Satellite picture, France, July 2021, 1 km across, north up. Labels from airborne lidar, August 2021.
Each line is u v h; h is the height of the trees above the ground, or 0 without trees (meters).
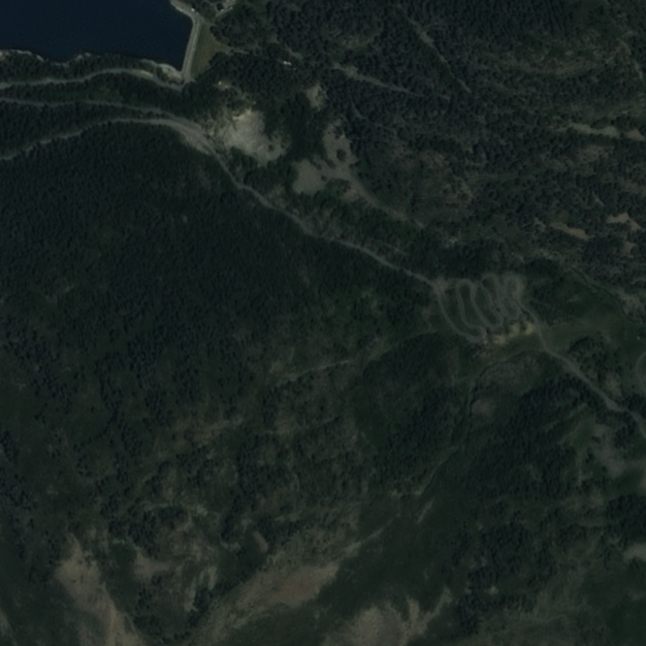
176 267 7
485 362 0
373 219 11
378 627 0
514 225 9
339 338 0
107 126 11
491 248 7
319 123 6
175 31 0
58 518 0
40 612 0
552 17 12
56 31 0
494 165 12
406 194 10
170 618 0
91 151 11
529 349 0
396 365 7
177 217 5
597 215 7
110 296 8
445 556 0
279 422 0
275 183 9
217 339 7
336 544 0
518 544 14
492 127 14
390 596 0
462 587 0
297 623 0
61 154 14
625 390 7
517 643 0
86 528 0
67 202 10
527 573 0
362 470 7
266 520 7
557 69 7
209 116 9
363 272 9
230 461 0
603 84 9
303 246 8
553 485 16
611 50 7
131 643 0
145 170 9
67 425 0
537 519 0
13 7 0
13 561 0
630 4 8
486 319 0
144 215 8
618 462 0
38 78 8
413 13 22
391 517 0
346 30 12
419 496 0
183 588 0
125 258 8
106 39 0
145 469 0
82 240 9
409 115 8
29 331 9
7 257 10
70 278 9
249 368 9
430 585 0
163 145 6
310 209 7
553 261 14
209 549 0
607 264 11
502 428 6
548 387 14
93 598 0
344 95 13
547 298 7
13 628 0
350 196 0
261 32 18
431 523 0
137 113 12
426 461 8
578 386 19
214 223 10
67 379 0
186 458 8
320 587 0
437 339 8
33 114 14
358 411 0
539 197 11
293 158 9
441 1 15
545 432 6
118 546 0
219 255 7
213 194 8
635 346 0
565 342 0
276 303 9
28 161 14
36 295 6
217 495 0
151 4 0
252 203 8
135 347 11
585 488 10
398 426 6
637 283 11
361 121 12
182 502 0
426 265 10
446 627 0
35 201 10
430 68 7
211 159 9
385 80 14
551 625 0
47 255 9
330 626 0
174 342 6
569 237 10
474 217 17
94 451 0
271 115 10
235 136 0
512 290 0
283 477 6
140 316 9
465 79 11
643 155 15
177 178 11
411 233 10
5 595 0
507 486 6
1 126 11
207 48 0
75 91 11
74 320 7
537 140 12
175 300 6
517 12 10
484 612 7
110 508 6
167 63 0
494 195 18
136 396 8
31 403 0
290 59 16
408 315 9
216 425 0
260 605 0
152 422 9
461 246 9
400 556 0
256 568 6
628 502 15
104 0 0
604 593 0
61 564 0
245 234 7
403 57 10
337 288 12
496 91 10
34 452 0
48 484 0
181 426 0
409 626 0
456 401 13
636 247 7
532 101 14
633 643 0
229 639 0
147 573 0
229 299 9
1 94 9
